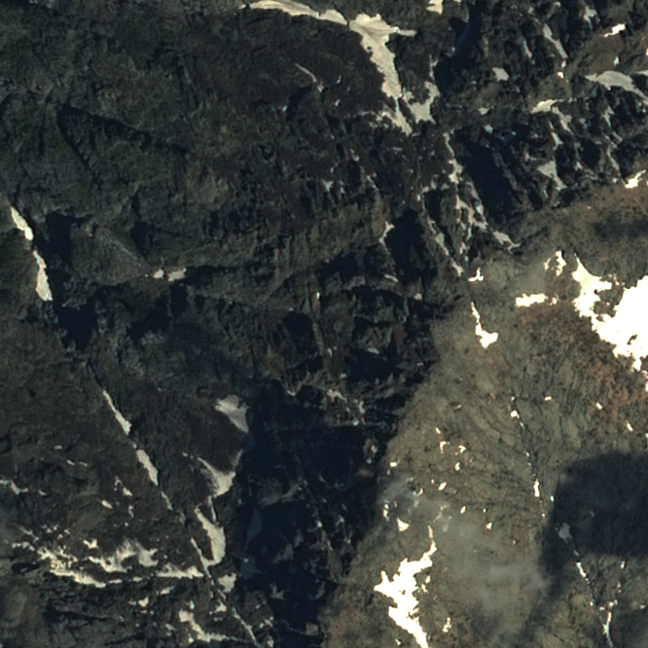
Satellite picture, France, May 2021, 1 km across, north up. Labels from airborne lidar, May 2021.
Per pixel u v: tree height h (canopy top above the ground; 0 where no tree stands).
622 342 0
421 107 0
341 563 0
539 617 0
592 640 0
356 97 9
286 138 0
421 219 0
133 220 0
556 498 0
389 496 0
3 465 7
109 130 15
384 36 0
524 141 0
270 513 0
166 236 0
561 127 0
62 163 0
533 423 0
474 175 0
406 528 0
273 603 0
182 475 0
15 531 0
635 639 0
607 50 0
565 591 0
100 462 7
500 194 0
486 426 0
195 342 0
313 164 8
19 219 0
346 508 0
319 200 0
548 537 0
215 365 0
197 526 0
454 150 0
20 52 7
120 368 0
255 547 0
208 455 7
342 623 0
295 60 8
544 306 0
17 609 0
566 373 0
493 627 0
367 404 0
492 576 0
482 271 0
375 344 0
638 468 0
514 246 0
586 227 0
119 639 0
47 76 0
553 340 0
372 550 0
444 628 0
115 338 0
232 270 0
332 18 0
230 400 0
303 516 0
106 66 0
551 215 0
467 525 0
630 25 0
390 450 0
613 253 0
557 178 0
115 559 6
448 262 0
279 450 0
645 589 0
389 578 0
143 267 0
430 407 0
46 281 0
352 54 7
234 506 7
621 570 0
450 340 0
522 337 0
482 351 0
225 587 0
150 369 0
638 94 0
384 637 0
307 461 0
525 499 0
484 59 0
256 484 0
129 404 0
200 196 0
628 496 0
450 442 0
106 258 0
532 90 0
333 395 0
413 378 0
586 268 0
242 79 8
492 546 0
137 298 9
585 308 0
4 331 0
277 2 0
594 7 0
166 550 0
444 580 0
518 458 0
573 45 0
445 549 0
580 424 0
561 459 0
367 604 0
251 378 0
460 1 0
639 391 0
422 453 0
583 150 0
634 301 0
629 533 0
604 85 0
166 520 0
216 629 0
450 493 0
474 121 0
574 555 0
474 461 0
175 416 0
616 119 0
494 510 0
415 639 0
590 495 0
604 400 0
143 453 0
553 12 0
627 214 0
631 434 0
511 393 0
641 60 0
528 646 0
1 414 6
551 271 0
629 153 0
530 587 0
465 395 0
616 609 0
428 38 0
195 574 0
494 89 0
